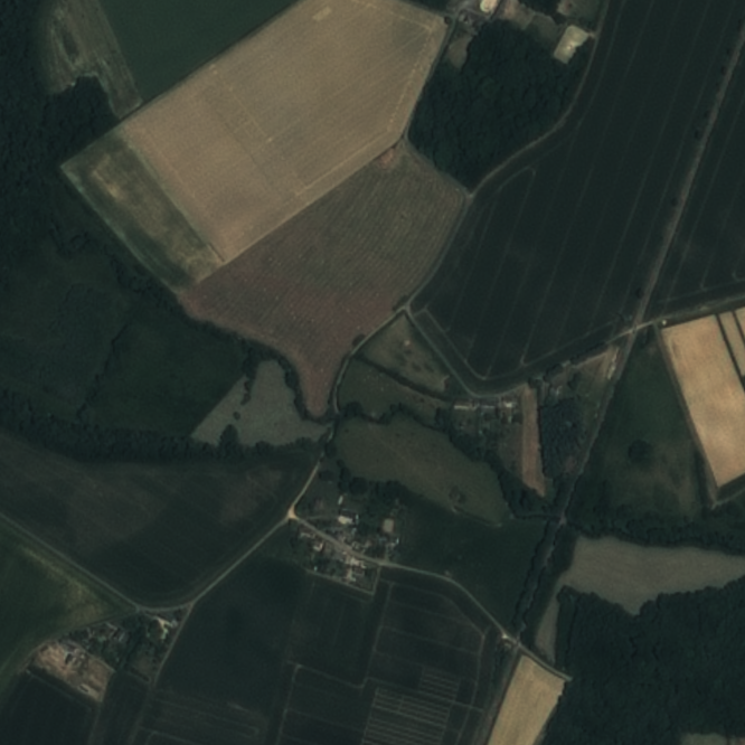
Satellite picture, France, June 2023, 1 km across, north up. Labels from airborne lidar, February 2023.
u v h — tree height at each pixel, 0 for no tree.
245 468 0
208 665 0
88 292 7
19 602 0
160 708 0
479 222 0
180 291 0
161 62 0
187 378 0
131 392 0
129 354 0
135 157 0
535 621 20
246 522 0
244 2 0
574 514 15
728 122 0
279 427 0
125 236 0
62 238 16
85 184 0
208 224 0
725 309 0
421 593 0
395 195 0
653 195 0
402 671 0
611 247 0
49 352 9
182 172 0
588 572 0
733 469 0
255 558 0
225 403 0
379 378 0
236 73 0
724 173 0
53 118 21
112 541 0
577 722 18
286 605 0
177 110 0
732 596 19
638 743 20
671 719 20
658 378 0
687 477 0
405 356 0
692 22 0
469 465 0
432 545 0
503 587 0
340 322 0
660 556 0
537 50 20
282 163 0
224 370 0
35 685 0
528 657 0
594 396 0
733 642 20
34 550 0
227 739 0
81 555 0
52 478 0
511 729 0
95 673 0
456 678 0
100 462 10
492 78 11
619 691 19
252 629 0
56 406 0
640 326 0
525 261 0
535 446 0
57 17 0
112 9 0
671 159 0
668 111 0
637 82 0
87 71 0
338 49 0
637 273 0
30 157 15
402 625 0
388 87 0
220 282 0
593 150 0
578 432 25
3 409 19
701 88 0
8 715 0
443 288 0
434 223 0
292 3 0
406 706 0
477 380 0
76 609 0
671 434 0
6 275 16
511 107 21
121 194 0
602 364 0
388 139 0
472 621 0
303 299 0
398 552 10
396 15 0
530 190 0
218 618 0
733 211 0
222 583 0
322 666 0
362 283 0
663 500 0
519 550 0
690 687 22
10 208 26
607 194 0
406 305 0
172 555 0
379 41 0
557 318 0
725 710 19
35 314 0
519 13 0
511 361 0
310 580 0
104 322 8
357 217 0
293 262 0
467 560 0
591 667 17
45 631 0
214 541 0
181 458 10
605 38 0
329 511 0
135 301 0
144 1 0
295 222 0
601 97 0
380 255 0
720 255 0
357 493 15
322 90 0
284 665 0
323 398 0
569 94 19
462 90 13
